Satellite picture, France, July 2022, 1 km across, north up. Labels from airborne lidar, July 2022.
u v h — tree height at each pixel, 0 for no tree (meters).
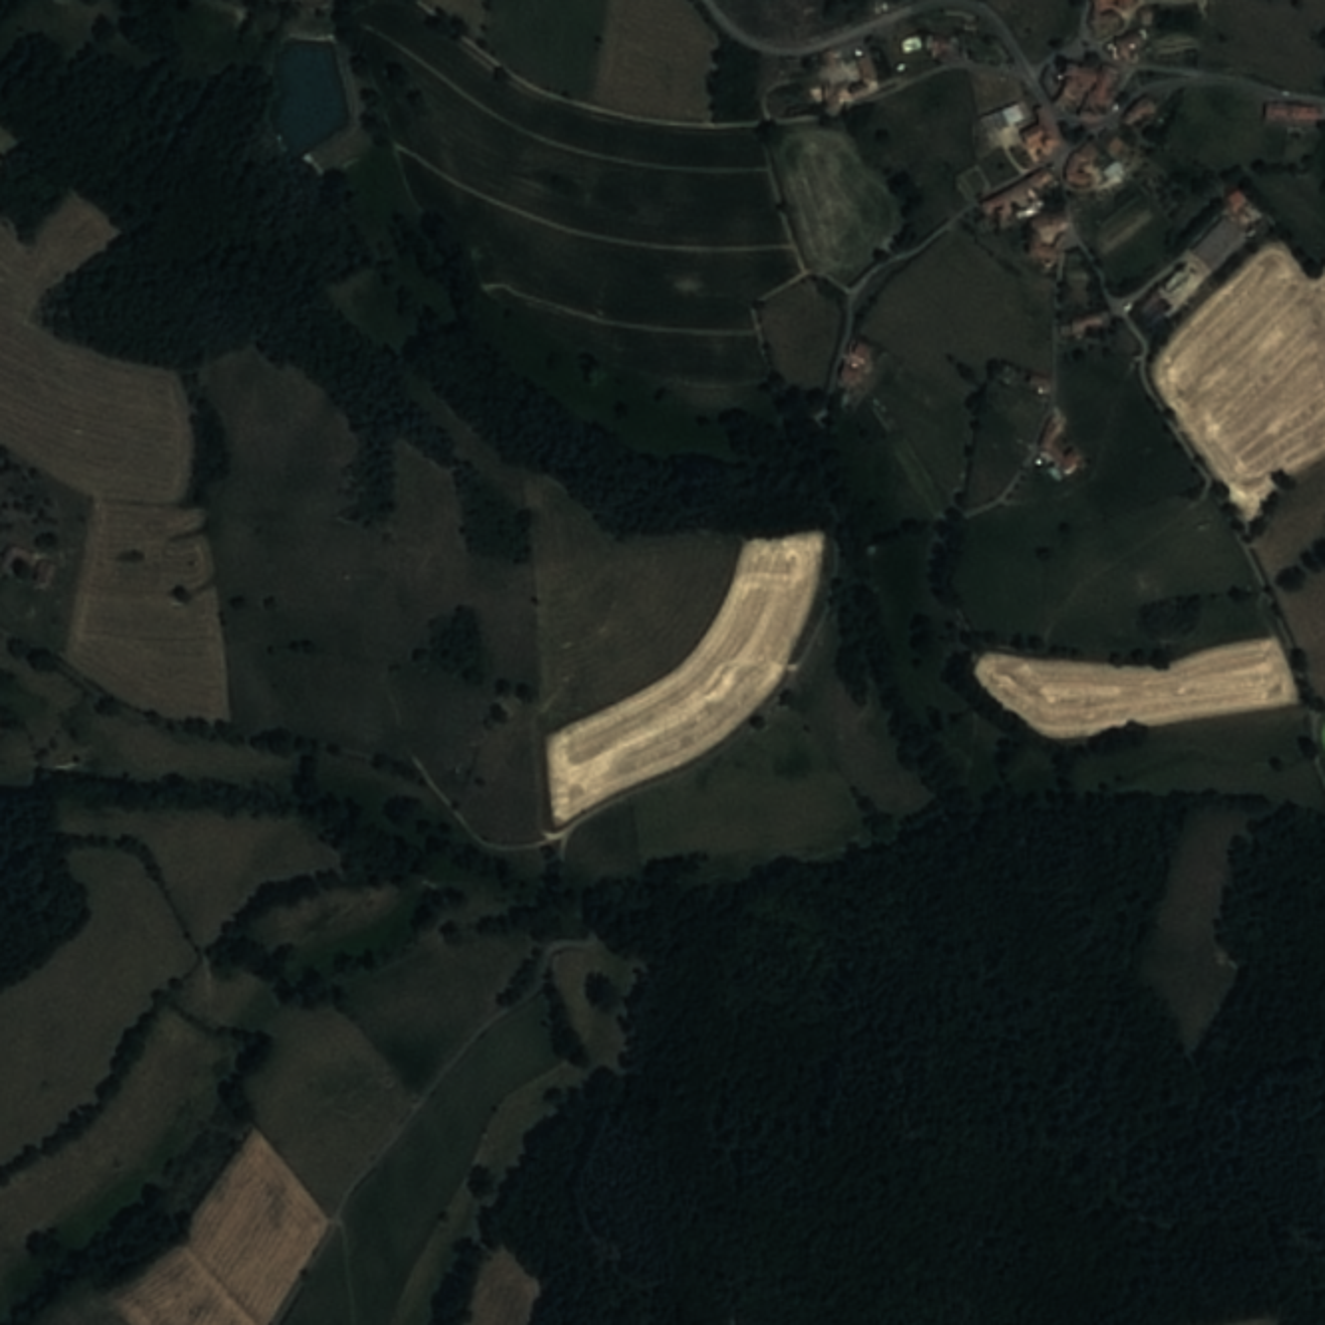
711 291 0
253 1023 0
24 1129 0
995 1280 9
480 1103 0
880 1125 10
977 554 0
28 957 8
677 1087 18
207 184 16
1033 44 0
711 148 0
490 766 0
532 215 0
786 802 0
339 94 0
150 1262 13
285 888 15
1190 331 0
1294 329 0
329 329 20
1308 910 12
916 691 0
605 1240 22
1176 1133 16
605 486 17
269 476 0
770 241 0
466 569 0
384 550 0
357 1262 0
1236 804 14
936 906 14
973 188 0
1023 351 0
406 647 0
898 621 0
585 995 0
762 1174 23
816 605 0
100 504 0
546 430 23
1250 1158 23
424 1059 0
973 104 0
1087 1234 12
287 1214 0
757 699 0
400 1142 0
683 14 0
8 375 0
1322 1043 11
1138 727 14
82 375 0
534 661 0
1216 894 0
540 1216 15
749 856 0
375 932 0
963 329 0
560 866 13
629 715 0
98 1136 0
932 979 13
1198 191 9
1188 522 0
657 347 0
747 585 0
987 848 17
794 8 0
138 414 0
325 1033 0
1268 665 0
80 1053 0
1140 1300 16
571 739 0
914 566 0
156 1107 0
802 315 0
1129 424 0
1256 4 0
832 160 0
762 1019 12
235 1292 0
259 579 0
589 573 0
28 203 7
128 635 0
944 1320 7
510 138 0
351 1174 0
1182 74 0
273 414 0
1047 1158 16
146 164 10
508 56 0
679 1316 17
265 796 25
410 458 0
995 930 13
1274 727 0
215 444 7
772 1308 12
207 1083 0
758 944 10
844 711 0
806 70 9
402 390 17
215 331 17
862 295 0
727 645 0
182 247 9
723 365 0
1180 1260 16
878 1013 13
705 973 12
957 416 0
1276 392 0
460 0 0
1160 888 9
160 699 0
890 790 0
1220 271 8
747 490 17
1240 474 0
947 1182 7
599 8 0
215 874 0
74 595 0
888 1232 13
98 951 0
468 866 28
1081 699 0
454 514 0
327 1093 0
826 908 12
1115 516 0
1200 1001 0
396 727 0
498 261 0
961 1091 11
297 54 0
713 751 0
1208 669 0
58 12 0
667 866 15
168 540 0
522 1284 0
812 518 10
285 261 11
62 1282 19
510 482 0
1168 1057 10
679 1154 16
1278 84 0
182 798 25
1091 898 13
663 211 0
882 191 0
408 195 0
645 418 0
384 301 0
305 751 13
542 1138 16
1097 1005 13
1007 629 0
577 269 0
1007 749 14
